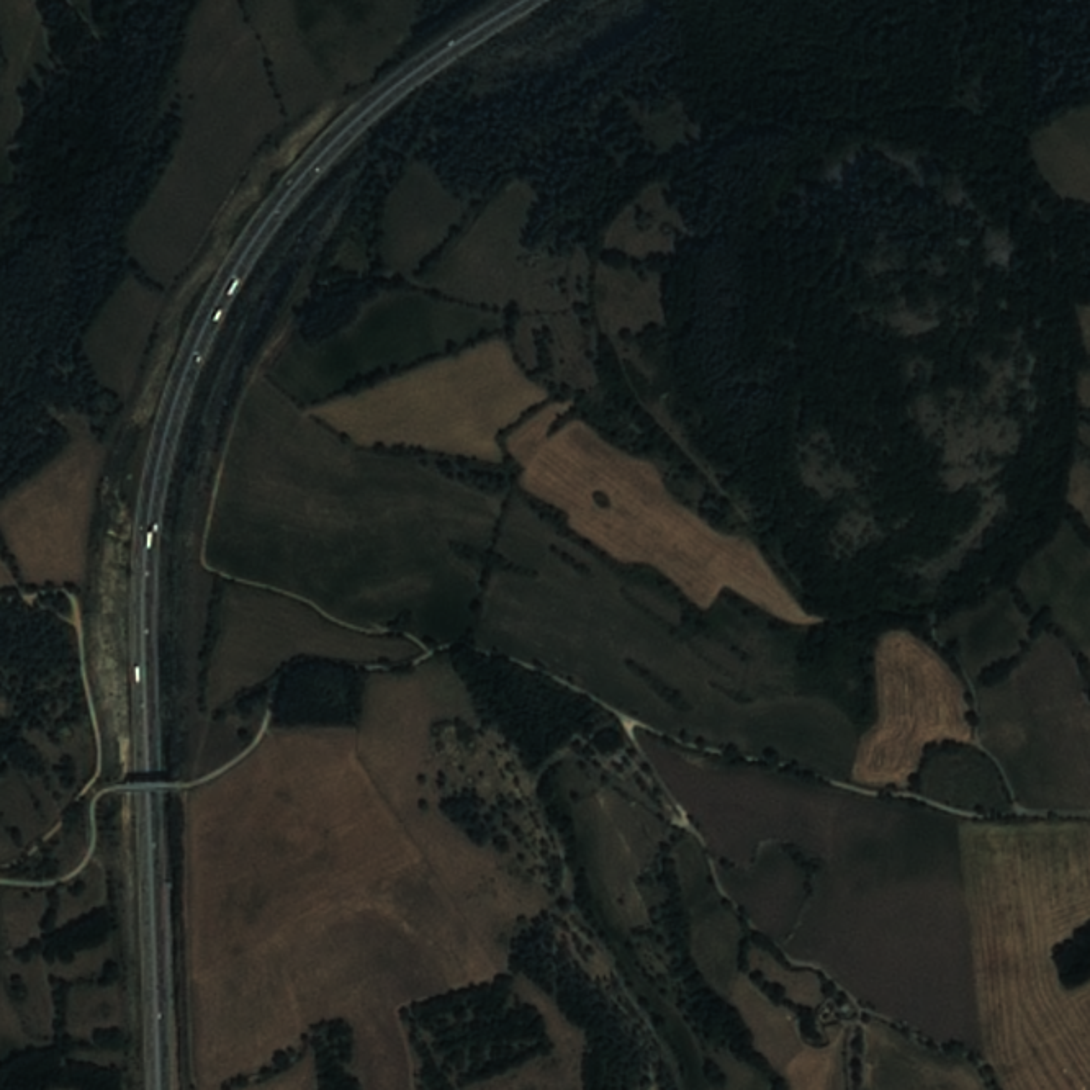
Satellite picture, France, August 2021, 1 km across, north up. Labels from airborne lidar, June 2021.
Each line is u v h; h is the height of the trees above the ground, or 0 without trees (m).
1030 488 16
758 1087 0
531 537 0
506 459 6
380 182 7
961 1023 0
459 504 0
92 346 0
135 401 0
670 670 0
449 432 0
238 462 0
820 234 11
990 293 11
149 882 0
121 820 0
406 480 0
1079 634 0
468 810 13
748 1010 0
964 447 0
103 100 19
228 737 0
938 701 0
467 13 8
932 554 9
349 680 20
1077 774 0
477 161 13
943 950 0
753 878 0
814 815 0
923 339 10
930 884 0
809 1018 13
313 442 0
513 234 0
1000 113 11
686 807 0
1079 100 10
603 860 0
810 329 14
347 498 0
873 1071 0
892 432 12
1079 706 0
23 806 0
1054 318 14
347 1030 6
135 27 8
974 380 6
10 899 0
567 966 12
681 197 19
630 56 17
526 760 8
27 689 10
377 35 0
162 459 0
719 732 0
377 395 0
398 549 0
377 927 0
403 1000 0
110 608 0
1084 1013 0
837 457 7
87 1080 11
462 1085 6
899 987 0
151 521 0
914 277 6
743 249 14
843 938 0
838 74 11
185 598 0
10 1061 9
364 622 0
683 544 0
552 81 9
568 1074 0
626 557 0
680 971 11
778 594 0
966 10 11
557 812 15
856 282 12
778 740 0
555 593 0
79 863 0
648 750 0
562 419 6
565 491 0
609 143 12
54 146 23
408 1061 0
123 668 0
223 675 0
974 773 0
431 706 0
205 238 0
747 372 16
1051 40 17
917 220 12
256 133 0
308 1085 0
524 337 0
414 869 0
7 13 0
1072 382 12
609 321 0
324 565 0
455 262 0
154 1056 0
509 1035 10
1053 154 0
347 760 0
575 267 0
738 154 19
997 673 14
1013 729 0
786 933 0
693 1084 0
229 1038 0
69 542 0
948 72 15
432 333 0
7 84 0
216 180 0
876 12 10
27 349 12
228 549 0
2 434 15
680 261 12
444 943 0
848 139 15
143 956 0
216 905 0
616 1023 11
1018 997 0
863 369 14
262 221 0
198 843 0
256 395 0
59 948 12
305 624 0
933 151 11
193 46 0
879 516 10
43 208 16
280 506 0
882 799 12
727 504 13
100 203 8
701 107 13
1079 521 11
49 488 0
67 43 16
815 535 9
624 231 0
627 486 0
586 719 8
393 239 0
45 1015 0
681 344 14
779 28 7
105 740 0
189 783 0
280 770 0
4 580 0
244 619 0
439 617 0
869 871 0
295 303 0
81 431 0
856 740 0
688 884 0
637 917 0
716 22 6
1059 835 0
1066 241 16
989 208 10
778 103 11
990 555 16
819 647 12
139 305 0
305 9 0
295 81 0
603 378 8
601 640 0
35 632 11
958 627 0
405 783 0
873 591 12
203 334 0
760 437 14
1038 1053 0
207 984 0
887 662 0
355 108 0
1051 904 0
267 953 0
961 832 0
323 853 0
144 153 10
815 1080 0
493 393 0
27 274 9
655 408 0
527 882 0
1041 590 0
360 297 16
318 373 0
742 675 0
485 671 17
